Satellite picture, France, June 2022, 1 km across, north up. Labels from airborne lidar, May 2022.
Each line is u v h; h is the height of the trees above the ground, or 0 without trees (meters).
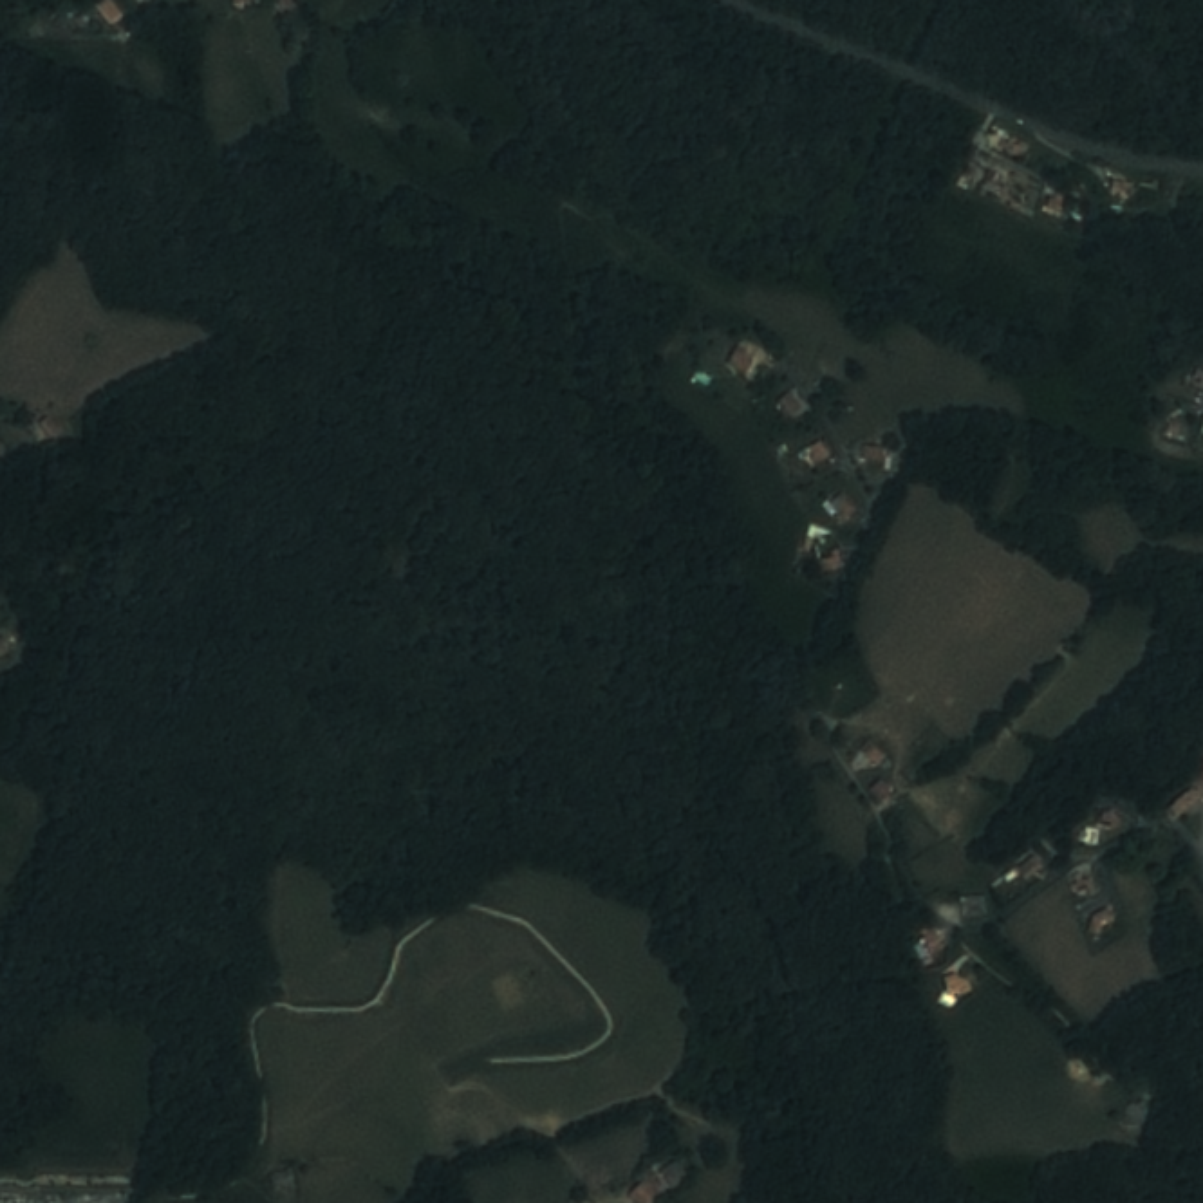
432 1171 20
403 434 21
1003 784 9
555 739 26
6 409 8
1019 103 19
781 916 28
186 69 10
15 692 21
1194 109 15
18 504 32
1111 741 24
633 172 9
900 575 0
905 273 21
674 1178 0
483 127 14
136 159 26
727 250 8
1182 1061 25
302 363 23
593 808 26
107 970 23
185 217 33
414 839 32
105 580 28
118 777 25
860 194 13
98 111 24
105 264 26
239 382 19
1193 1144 18
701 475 20
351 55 8
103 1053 0
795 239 15
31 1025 22
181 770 23
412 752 24
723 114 16
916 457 20
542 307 28
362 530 20
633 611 25
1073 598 0
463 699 23
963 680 0
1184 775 22
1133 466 20
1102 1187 21
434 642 20
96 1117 0
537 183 15
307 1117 0
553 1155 14
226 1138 21
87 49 0
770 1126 23
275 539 21
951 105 11
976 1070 0
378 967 0
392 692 27
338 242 24
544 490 26
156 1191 9
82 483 26
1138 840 14
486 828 28
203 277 27
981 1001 0
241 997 24
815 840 7
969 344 25
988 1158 0
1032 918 0
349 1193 0
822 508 0
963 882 0
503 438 23
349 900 19
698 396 0
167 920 28
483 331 21
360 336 22
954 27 17
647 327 22
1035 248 0
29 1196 0
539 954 0
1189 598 15
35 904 19
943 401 0
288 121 11
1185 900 10
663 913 19
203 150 25
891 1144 20
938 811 0
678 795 23
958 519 0
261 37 0
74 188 13
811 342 0
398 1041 0
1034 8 20
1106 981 0
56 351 0
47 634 24
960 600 0
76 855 22
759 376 6
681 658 20
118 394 13
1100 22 22
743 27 25
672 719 19
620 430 17
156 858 25
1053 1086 0
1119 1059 14
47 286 0
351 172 9
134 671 22
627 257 0
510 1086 0
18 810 0
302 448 26
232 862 24
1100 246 22
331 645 22
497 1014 0
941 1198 18
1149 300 23
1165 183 6
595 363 25
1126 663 0
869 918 23
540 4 15
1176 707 28
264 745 18
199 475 34
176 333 0
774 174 6
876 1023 23
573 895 0
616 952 0
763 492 0
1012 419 22
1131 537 0
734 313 0
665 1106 10
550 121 16
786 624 0
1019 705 17
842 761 0
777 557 0
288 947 0
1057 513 7
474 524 30
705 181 9
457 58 0
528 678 25
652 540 32
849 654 10
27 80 11
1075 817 20
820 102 24
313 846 28
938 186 19
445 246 26
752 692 10
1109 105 10
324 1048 0
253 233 26
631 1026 0
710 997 20
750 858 27
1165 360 18
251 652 19
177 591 29
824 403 16
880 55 16
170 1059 20
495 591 8
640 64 12
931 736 0
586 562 24
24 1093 17
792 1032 17
